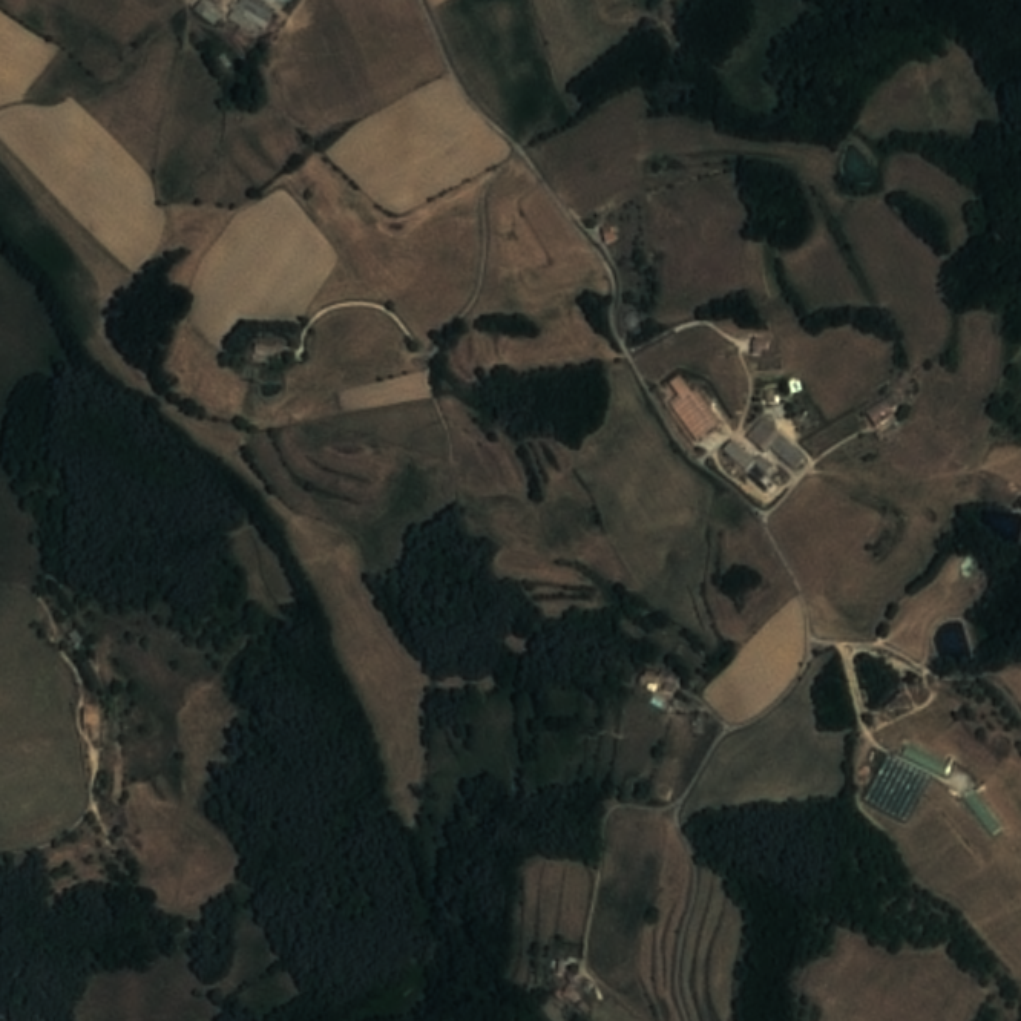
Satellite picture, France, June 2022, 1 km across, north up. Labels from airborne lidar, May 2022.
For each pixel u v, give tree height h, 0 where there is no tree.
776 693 0
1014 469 0
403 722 0
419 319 0
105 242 0
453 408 0
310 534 0
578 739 0
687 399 0
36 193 0
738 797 0
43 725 0
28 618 0
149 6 0
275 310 0
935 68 0
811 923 12
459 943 23
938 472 0
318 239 0
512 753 0
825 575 0
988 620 20
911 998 0
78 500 23
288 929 24
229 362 16
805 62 19
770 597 0
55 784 0
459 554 17
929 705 0
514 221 0
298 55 0
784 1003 10
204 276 0
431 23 0
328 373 0
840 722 8
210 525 21
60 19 0
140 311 19
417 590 18
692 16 16
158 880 0
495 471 0
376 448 0
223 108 15
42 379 15
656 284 9
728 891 12
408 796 0
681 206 0
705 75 12
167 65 0
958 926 8
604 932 0
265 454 0
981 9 22
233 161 0
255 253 0
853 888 16
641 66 14
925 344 0
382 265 0
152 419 24
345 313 0
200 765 0
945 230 18
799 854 23
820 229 0
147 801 0
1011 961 0
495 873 15
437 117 0
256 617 17
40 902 15
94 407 29
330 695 23
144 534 27
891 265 0
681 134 0
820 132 16
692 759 0
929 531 0
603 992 0
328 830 21
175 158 0
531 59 0
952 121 0
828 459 0
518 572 0
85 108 0
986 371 0
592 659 16
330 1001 20
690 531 0
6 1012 16
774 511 0
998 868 0
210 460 19
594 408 14
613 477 0
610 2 0
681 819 0
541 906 0
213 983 11
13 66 0
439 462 0
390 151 0
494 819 16
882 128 0
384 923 28
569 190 0
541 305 0
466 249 0
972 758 0
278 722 28
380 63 0
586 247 0
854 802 12
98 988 0
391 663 0
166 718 0
